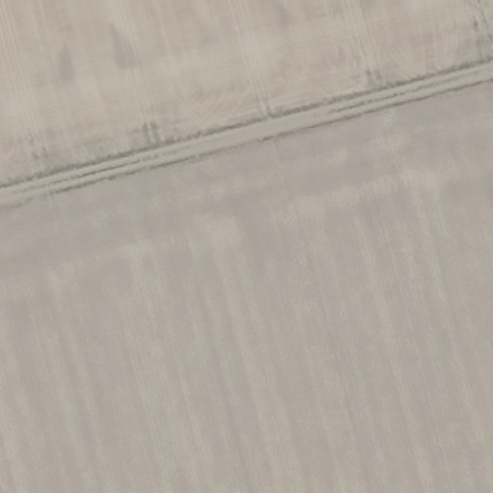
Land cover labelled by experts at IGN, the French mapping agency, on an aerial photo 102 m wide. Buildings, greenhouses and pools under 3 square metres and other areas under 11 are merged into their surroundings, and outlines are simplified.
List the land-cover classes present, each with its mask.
<instances>
[{"label":"agricultural land","instance_id":"1","mask_svg":"<svg viewBox=\"0 0 493 493\"><path fill-rule=\"evenodd\" d=\"M493 54V0H0V183L17 175H31L42 169L56 168L71 162H85L98 156L129 150V131L135 127H143L144 123L158 125L160 139L181 137L216 125L237 123L245 117L262 116L277 108H295L302 104L318 102L322 98L364 91L368 85L366 69H377L391 81H399ZM481 87L472 91L453 92L443 98L402 106L374 116L352 119L335 127L312 131L308 135L262 144L256 150H241L235 154L214 156L204 162L158 169L127 179L100 183L81 191L52 196L48 200H42V206L29 204L25 208L0 216V493H493V77L480 79Z\"/></svg>","mask_w":493,"mask_h":493},{"label":"pervious surface","instance_id":"2","mask_svg":"<svg viewBox=\"0 0 493 493\"><path fill-rule=\"evenodd\" d=\"M493 77V54L399 81H391L377 69H366L368 85L364 91L322 98L318 102L302 104L295 108H277L262 116L245 117L237 123L216 125L181 137L160 139L158 125L144 123L143 127H135L129 131V150L98 156L85 162H71L56 168L42 169L31 175H17L0 183V216L25 208L29 204L42 206V200H48L52 196L81 191L100 183L127 179L158 169L204 162L214 156L235 154L241 150H256L262 144L308 135L312 131L335 127L352 119L374 116L402 106L443 98L453 92L472 91L481 87L480 79Z\"/></svg>","mask_w":493,"mask_h":493}]
</instances>
